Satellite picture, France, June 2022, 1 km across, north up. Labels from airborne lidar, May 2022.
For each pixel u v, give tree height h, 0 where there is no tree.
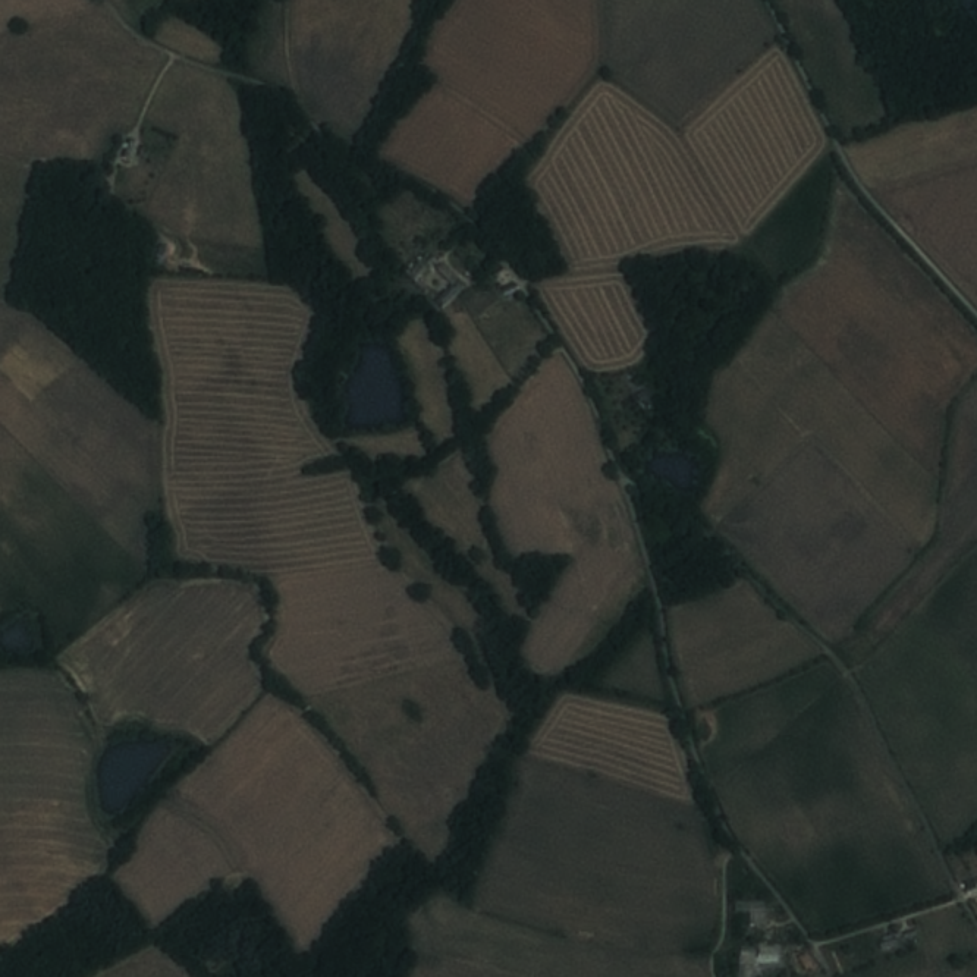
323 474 11
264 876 0
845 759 0
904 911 7
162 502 6
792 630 0
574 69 0
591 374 8
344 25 0
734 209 0
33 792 0
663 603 10
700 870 0
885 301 0
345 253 0
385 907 13
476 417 16
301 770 0
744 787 0
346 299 18
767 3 17
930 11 16
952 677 0
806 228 0
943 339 0
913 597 0
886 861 0
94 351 21
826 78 0
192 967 15
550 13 0
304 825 0
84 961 18
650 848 0
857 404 0
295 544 0
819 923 0
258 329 0
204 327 0
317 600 0
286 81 0
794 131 0
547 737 0
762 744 0
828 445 0
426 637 0
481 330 0
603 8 0
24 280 19
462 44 0
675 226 0
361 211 15
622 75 0
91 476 0
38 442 0
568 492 0
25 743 0
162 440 0
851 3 17
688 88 0
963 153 0
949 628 0
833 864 0
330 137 16
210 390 0
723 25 0
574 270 0
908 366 0
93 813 0
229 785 0
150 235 17
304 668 0
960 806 0
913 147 0
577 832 0
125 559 0
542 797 0
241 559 0
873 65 15
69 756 0
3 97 0
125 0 0
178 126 0
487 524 19
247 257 0
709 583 20
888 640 0
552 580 10
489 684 17
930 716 0
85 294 22
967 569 0
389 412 0
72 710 0
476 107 0
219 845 0
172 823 0
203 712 0
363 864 0
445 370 9
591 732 0
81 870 0
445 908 0
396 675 0
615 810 0
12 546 0
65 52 0
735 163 0
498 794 12
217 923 20
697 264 23
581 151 0
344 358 17
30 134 0
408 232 0
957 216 0
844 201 0
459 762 0
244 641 0
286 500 0
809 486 0
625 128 0
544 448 0
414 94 19
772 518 0
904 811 0
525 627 20
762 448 0
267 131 21
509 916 0
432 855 0
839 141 13
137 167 0
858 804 0
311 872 0
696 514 7
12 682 0
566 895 0
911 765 0
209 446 0
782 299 0
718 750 0
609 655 12
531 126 0
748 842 0
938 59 27
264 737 0
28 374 0
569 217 0
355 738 0
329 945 19
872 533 0
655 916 0
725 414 0
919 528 0
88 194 21
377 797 7
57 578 0
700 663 0
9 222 0
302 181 0
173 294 0
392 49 0
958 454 0
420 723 0
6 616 9
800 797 0
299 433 0
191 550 0
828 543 0
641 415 10
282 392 0
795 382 0
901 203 0
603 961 0
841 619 0
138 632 0
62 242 20
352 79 0
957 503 0
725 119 0
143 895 0
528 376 14
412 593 14
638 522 9
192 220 0
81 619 0
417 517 11
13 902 0
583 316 0
